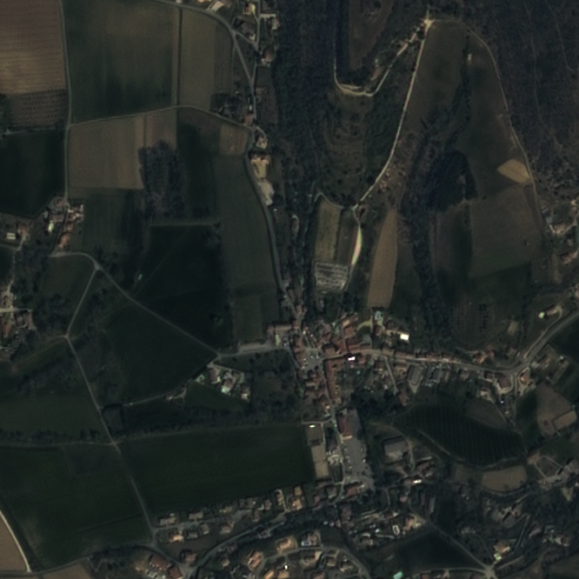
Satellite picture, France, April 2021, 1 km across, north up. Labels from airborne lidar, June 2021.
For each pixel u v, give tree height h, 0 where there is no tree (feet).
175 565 28
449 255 0
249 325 0
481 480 0
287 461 0
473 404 0
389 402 62
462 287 0
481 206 0
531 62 53
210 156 0
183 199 39
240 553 49
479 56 0
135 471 0
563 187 33
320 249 0
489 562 21
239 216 0
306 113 42
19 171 0
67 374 59
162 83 0
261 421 95
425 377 33
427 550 0
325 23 31
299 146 37
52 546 0
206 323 0
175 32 0
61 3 0
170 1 0
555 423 0
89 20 0
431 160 30
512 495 66
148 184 82
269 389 0
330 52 44
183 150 0
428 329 32
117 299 0
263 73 0
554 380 65
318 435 0
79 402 0
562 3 32
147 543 0
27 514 0
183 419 0
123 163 0
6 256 0
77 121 0
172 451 0
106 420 49
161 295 0
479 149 0
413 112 0
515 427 71
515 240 0
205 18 0
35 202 0
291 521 37
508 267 0
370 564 21
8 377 0
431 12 30
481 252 0
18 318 0
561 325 0
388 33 36
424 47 0
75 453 0
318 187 29
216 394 0
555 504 23
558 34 31
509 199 0
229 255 0
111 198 0
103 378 0
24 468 0
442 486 42
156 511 0
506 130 0
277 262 0
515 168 0
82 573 0
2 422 0
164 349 0
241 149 0
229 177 0
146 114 0
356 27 0
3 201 0
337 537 0
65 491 0
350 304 52
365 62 38
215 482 0
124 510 0
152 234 0
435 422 0
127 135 0
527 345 0
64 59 0
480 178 0
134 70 0
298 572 0
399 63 38
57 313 67
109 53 0
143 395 0
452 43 0
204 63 0
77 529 0
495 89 0
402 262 0
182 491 0
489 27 34
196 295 0
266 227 0
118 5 0
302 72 42
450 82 0
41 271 41
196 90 0
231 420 49
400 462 0
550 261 0
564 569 0
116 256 36
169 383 0
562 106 28
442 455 37
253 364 35
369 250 22
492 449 0
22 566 0
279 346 0
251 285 0
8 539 0
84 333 0
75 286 0
